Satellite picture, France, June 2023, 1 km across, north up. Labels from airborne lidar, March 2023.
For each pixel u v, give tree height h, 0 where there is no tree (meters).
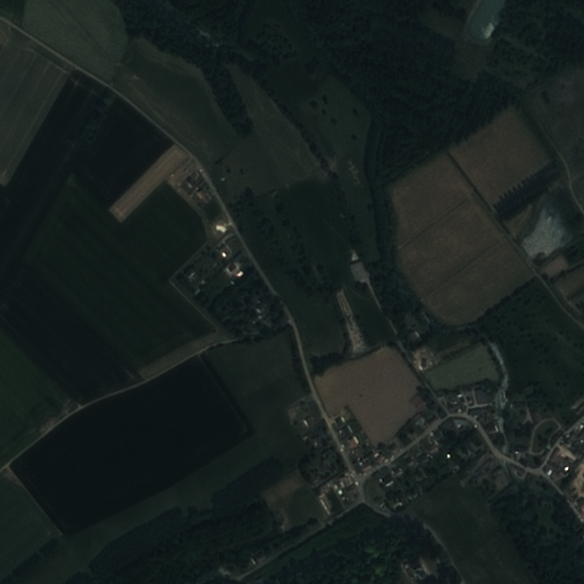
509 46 12
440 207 0
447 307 0
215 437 0
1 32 0
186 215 0
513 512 15
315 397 0
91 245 0
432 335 14
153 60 0
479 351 0
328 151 0
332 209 0
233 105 27
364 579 23
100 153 0
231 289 10
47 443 0
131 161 0
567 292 0
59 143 0
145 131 0
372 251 0
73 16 0
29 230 0
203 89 0
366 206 0
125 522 0
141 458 0
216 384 0
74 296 0
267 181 0
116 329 0
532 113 0
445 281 0
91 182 0
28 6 0
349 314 0
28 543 0
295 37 0
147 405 0
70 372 0
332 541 0
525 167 0
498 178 0
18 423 0
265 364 0
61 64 0
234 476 0
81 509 0
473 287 0
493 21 0
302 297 0
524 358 0
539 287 0
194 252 0
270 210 0
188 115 0
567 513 21
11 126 0
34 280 0
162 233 0
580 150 0
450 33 0
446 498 0
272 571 0
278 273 0
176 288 0
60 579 0
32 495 0
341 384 0
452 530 0
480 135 0
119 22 0
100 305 0
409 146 10
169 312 0
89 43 0
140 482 0
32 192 0
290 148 0
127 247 0
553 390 0
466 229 0
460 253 0
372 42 16
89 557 0
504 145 0
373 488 0
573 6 13
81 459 0
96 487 0
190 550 21
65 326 0
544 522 0
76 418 0
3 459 0
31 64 0
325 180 0
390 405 0
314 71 22
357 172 0
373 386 0
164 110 0
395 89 13
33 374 0
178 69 0
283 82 0
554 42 29
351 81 22
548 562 28
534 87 10
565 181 0
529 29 16
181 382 0
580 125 0
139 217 0
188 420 0
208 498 0
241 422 0
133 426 0
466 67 0
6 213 0
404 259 0
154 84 0
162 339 0
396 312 30
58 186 0
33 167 0
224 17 12
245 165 0
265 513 14
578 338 0
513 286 0
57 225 0
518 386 0
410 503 5
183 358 0
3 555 0
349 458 0
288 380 0
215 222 0
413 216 0
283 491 0
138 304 0
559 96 0
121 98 0
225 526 19
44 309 0
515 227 0
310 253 0
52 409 0
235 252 0
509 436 9
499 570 0
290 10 24
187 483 0
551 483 0
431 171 0
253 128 17
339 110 0
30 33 0
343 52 9
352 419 0
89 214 0
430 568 0
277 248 9
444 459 0
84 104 0
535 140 0
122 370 0
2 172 0
